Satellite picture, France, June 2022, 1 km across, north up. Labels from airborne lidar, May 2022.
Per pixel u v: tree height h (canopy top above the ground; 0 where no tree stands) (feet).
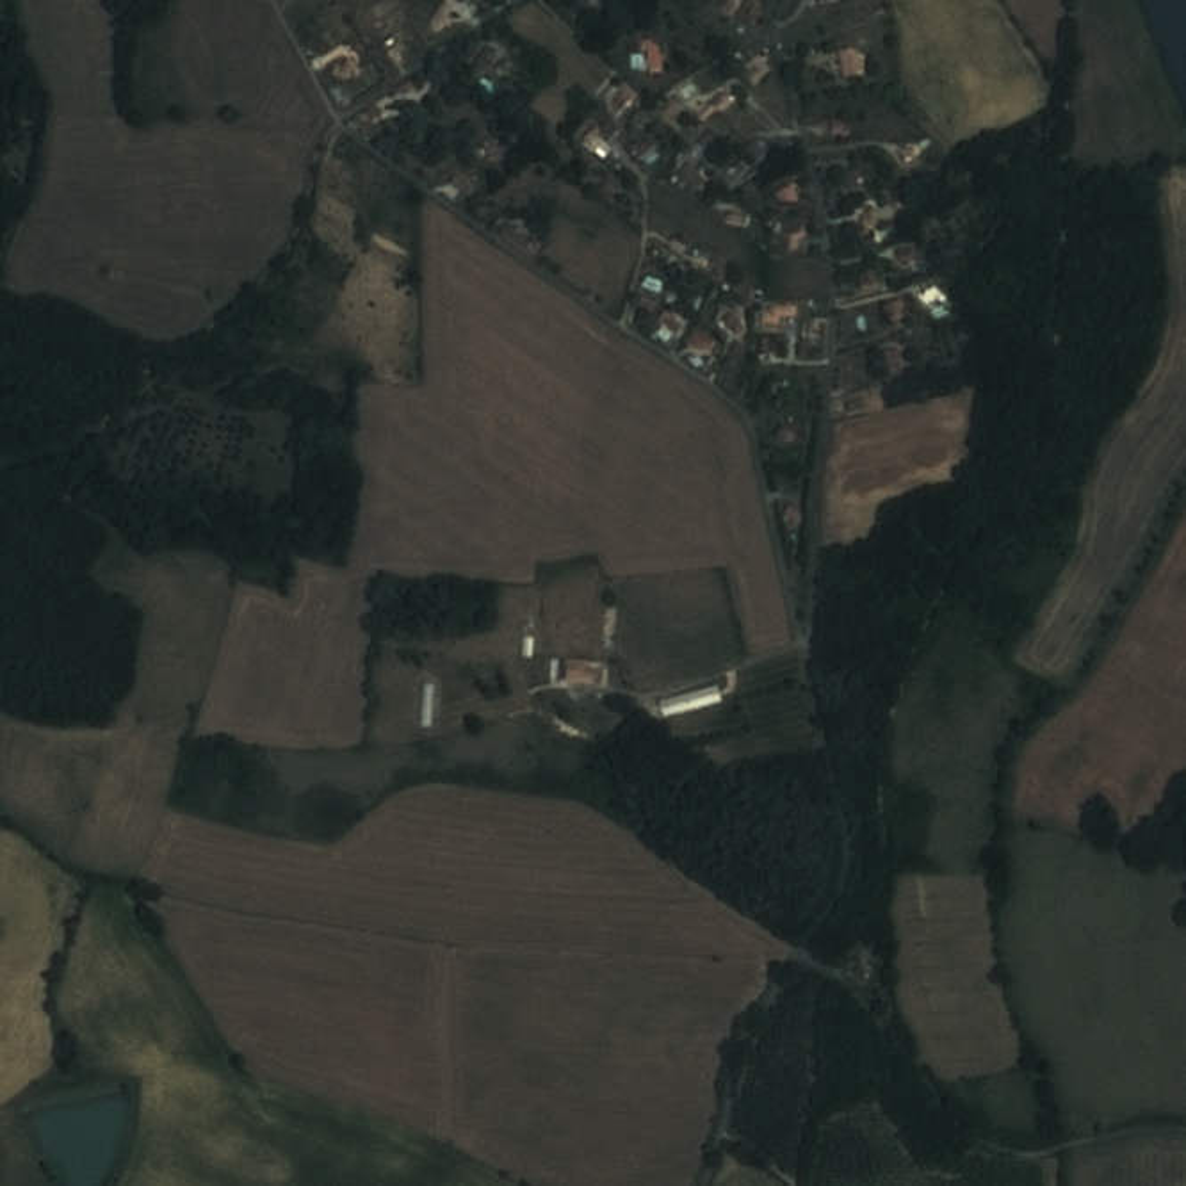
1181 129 0
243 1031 0
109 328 52
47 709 64
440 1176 0
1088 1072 0
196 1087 0
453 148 36
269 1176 0
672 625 0
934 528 65
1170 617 0
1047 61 35
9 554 54
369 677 25
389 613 43
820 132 0
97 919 0
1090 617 0
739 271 41
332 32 0
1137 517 0
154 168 0
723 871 66
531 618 0
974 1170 19
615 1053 0
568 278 0
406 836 0
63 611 49
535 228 26
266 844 0
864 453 0
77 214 0
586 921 0
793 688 30
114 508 64
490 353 0
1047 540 35
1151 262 67
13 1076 0
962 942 0
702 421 0
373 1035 0
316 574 0
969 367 40
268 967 0
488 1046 0
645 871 0
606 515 0
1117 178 58
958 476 42
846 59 0
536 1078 0
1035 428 50
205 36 0
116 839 0
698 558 0
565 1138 0
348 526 51
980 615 42
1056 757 0
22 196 71
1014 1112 0
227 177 0
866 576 18
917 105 0
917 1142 58
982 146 45
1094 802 25
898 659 57
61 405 64
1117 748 0
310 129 0
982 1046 0
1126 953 0
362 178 0
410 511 0
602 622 0
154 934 38
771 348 19
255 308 28
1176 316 0
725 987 0
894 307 0
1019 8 0
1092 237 50
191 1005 0
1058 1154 20
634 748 51
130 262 0
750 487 0
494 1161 0
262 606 0
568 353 0
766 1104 30
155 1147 0
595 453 0
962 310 21
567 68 0
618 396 0
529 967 0
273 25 0
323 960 0
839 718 49
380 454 0
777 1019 29
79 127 0
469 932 0
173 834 0
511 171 51
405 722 0
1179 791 59
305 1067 0
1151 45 0
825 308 0
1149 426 0
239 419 23
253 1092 0
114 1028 0
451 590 49
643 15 59
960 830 0
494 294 0
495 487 0
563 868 0
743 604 0
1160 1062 0
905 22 0
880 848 70
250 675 0
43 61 0
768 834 73
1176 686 0
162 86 0
